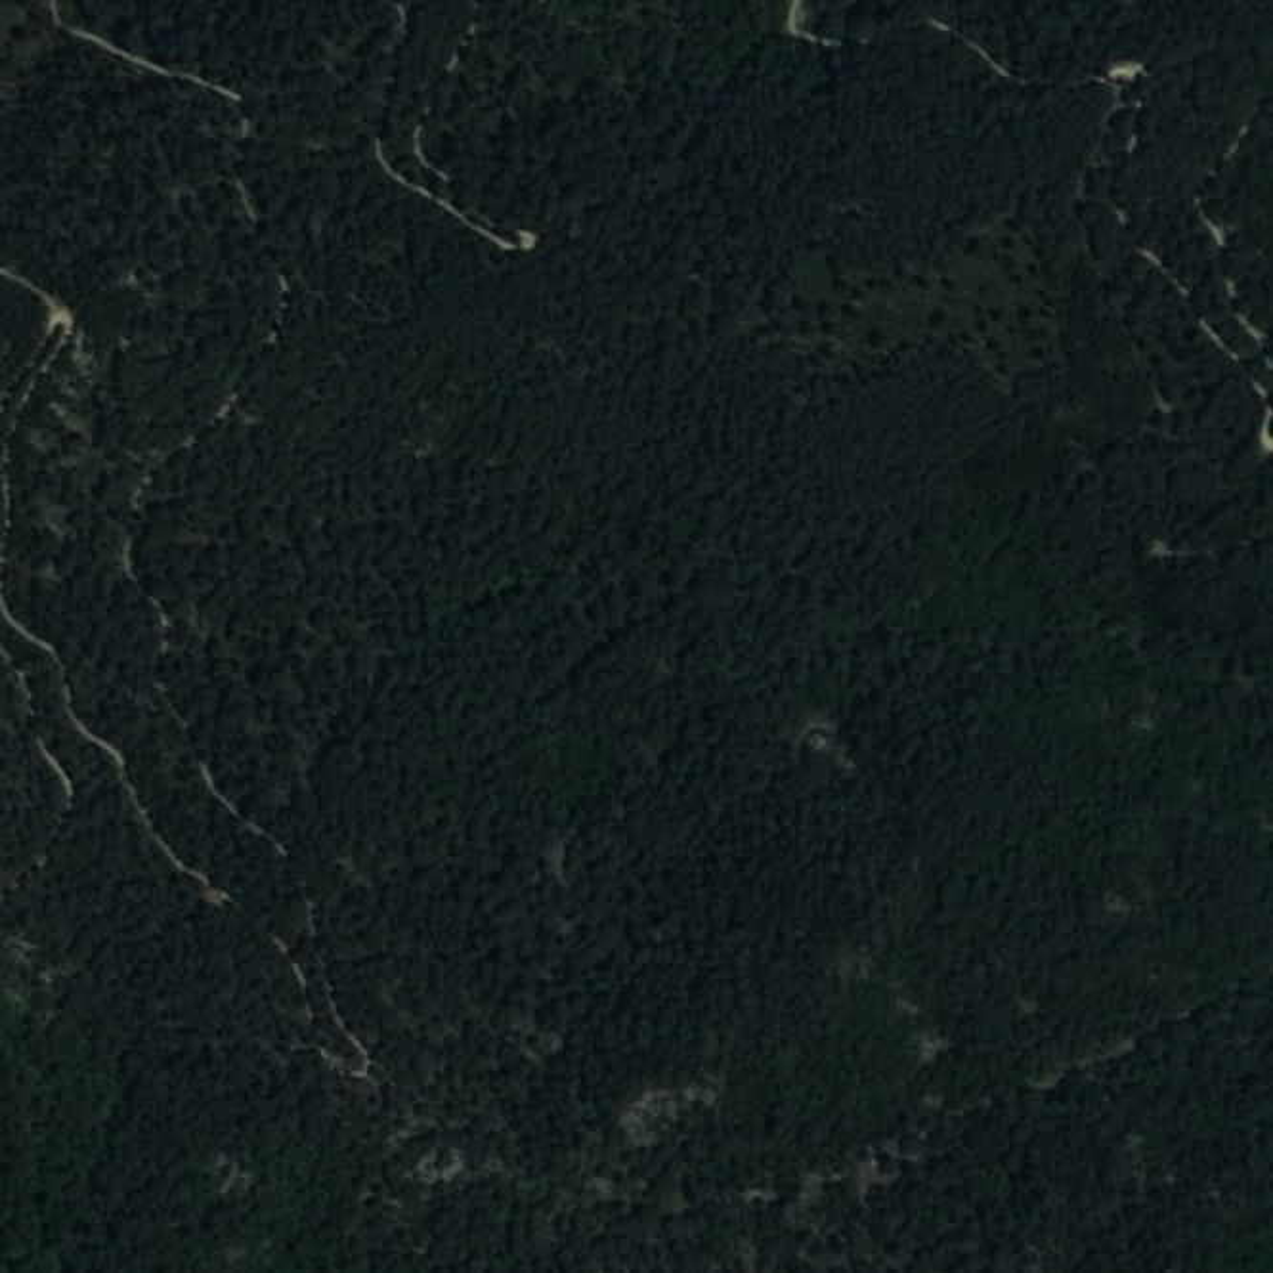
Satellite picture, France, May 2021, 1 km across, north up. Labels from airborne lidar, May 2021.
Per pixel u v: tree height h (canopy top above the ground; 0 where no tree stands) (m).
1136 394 12
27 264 14
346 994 20
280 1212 9
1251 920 34
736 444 29
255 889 23
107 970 26
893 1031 12
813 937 9
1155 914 12
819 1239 18
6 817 20
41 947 18
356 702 30
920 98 25
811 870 22
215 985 21
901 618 13
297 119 23
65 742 30
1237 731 20
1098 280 10
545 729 19
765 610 21
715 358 32
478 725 25
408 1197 13
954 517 19
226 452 10
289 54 31
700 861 16
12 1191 28
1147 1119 15
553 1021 32
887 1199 18
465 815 17
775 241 25
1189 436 30
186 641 27
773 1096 16
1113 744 9
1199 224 28
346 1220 23
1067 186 33
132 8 24
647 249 31
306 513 25
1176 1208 24
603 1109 18
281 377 25
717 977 25
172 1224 24
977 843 21
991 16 12
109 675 32
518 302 27
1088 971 29
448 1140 13
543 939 28
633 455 22
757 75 9
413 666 27
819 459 30
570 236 21
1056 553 30
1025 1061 27
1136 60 15
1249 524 13
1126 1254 22
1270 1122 11
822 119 29
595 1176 6
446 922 32
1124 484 29
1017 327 12
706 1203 31
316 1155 8
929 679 12
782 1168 14
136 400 32
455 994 21
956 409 24
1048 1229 12
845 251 27
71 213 36
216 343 27
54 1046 22
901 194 25
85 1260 26
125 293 6
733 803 22
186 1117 27
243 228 39
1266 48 28
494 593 13
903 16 26
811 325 25
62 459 17
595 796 12
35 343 16
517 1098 18
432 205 18
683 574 18
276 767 20
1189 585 12
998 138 26
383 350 23
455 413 27
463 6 19
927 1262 19
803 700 10
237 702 29
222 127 28
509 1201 21
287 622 31
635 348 30
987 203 22
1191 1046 20
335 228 30
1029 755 10
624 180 26
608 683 29
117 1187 32
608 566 28
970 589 11
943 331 24
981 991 23
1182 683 19
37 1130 16
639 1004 22
